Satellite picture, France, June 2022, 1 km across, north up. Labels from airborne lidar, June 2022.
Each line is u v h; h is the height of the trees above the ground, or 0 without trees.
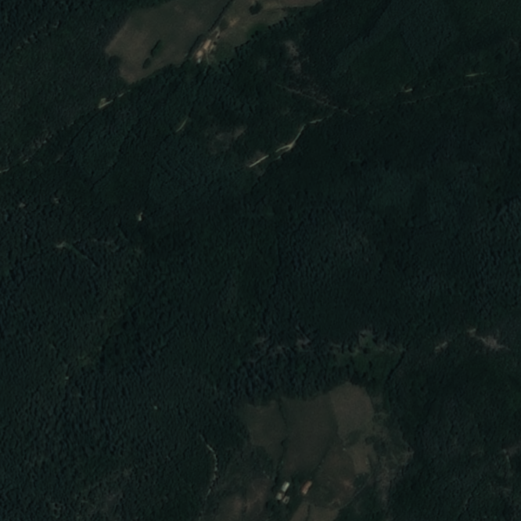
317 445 0
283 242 18
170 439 24
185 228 12
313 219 29
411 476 15
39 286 25
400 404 17
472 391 23
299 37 6
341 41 15
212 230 11
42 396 35
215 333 20
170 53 0
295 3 0
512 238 20
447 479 22
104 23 12
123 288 17
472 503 18
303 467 0
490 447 14
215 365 14
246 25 0
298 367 27
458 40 17
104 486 15
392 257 22
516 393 18
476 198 22
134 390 24
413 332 19
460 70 16
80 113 13
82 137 19
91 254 25
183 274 9
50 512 21
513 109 24
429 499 28
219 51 0
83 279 29
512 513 12
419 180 27
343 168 22
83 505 13
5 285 34
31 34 19
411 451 12
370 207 23
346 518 7
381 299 22
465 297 16
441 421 19
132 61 0
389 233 20
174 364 13
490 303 16
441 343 12
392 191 33
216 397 26
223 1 0
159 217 23
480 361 18
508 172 6
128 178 22
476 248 25
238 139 9
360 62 16
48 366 19
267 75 15
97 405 18
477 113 22
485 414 13
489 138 25
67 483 10
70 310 16
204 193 25
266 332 21
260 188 19
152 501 18
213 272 14
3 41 22
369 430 0
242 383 31
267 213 13
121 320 10
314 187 22
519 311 14
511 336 16
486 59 16
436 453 14
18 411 18
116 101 13
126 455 22
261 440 0
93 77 18
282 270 22
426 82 11
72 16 26
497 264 28
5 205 28
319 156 19
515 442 11
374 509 7
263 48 12
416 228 16
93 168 28
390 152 28
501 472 18
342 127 19
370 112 15
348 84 12
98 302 28
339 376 21
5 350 21
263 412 0
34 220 28
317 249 21
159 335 10
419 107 14
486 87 14
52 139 14
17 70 14
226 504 0
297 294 24
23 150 14
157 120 27
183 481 8
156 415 18
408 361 19
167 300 16
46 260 27
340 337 20
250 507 0
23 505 23
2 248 25
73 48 15
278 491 14
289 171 25
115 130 23
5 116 19
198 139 12
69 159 10
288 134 14
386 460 0
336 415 0
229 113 18
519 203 26
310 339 23
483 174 21
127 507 23
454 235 21
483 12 12
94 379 32
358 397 0
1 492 21
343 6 19
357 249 24
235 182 25
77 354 21
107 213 27
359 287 25
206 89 24
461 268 23
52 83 16
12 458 13
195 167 31
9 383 17
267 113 12
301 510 0
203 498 12
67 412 28
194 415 24
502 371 18
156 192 26
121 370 11
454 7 15
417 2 26
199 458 16
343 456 0
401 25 20
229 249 18
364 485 0
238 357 18
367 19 17
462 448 12
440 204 25
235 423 23
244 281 9
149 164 26
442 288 24
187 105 23
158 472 16
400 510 15
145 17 0
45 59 16
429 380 15
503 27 14
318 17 12
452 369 23
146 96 20
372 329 24
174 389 22
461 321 10
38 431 17
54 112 19
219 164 32
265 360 23
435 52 23
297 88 14
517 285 18
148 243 13
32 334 17
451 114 22
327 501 0
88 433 15
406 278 21
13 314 22
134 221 22
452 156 31
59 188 19
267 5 0
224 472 10
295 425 0
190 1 0
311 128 19
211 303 20
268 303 26
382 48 14
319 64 16
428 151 26
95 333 24
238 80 17
